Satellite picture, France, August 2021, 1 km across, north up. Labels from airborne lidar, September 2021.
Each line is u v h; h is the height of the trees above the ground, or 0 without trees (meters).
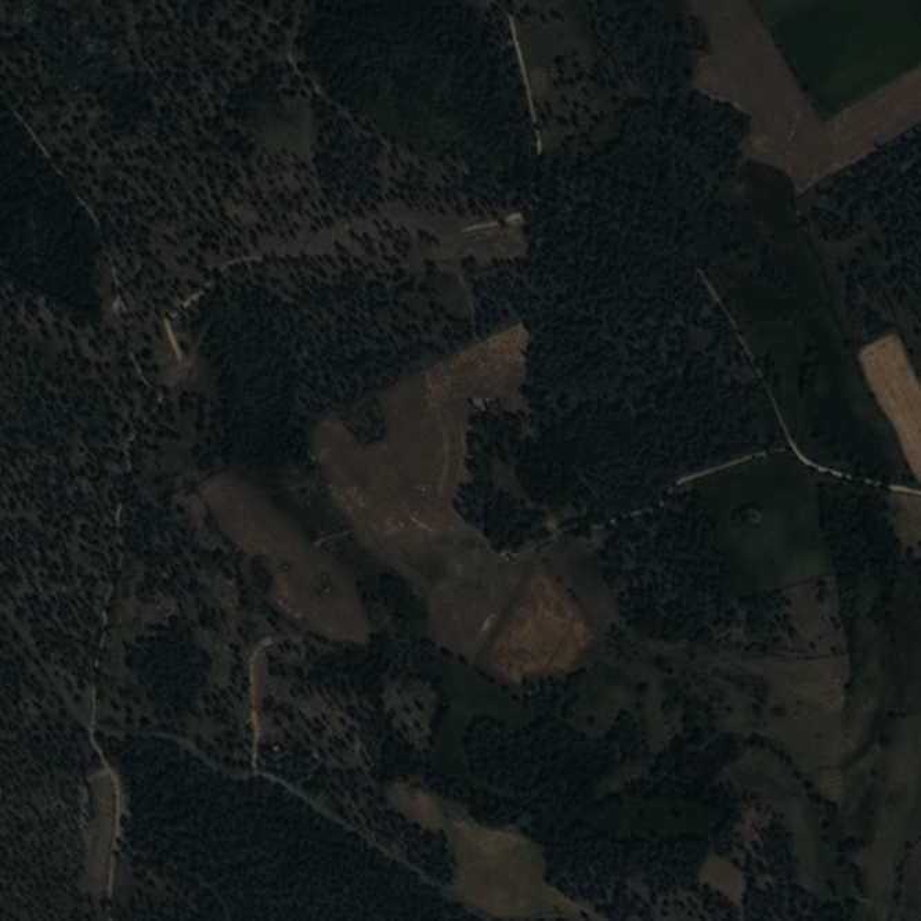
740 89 0
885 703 0
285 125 0
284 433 6
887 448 0
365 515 0
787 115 0
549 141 0
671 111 11
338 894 10
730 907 12
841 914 19
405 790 0
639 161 12
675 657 0
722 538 0
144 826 12
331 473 0
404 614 10
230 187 10
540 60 0
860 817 0
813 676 0
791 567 0
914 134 5
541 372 17
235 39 8
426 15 9
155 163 14
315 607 0
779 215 0
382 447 0
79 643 11
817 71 0
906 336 0
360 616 0
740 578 0
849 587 13
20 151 11
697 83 0
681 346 9
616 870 14
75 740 16
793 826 0
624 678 0
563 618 0
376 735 12
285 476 0
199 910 14
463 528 0
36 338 0
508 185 15
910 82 0
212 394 0
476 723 11
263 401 6
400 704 0
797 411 0
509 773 14
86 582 8
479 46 7
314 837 14
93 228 13
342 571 0
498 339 0
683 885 15
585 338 15
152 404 12
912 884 0
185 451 0
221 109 12
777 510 0
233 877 10
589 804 17
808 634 0
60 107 10
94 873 0
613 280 15
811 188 0
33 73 12
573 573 0
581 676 11
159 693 18
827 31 0
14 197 13
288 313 16
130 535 10
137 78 8
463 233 0
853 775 0
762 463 0
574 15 0
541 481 15
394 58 9
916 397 0
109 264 7
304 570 0
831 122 0
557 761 13
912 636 0
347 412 0
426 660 15
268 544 0
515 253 0
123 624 0
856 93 0
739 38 0
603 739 6
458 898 0
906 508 0
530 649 0
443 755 0
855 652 10
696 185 15
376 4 15
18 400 10
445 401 0
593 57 0
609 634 7
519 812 11
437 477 0
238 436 14
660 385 12
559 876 10
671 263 15
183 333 0
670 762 14
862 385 0
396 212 0
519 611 0
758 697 7
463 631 0
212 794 12
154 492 0
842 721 0
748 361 8
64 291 19
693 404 19
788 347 0
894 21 0
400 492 0
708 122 9
